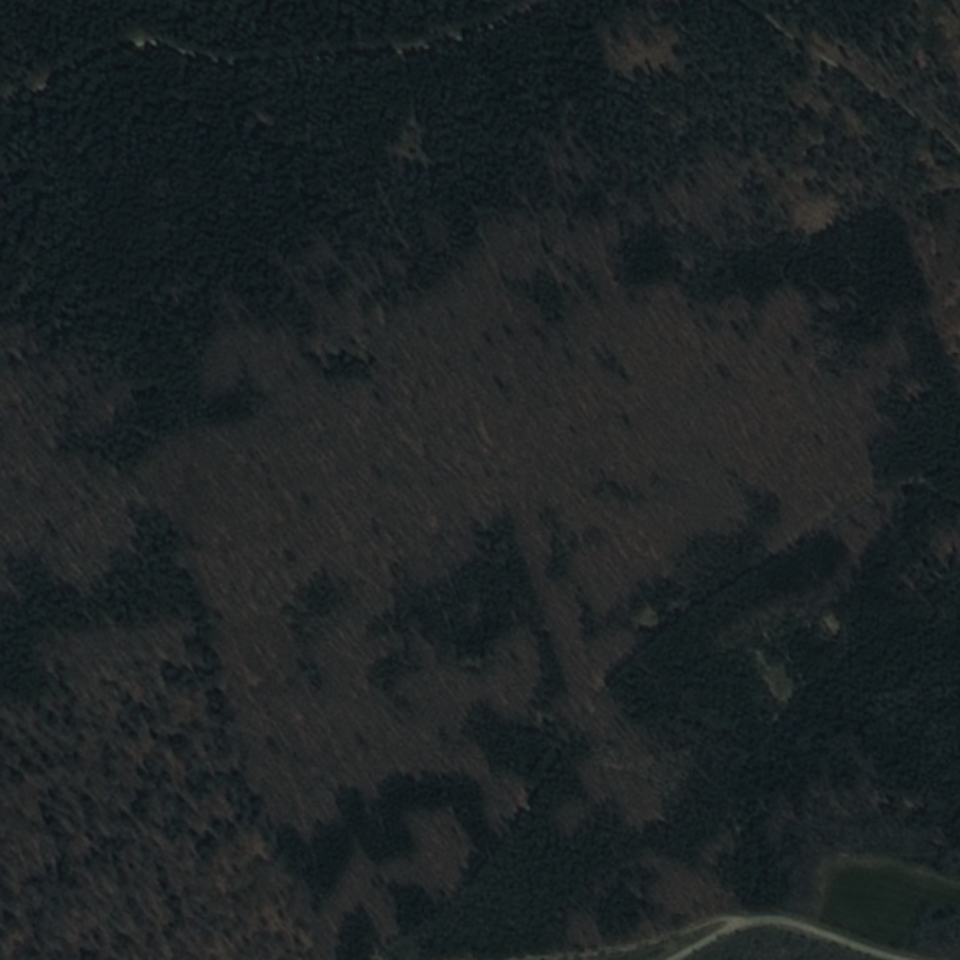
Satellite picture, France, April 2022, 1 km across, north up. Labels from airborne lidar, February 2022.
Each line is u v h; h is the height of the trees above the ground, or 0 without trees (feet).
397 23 80
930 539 62
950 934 87
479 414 71
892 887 0
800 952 49
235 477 74
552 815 76
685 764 64
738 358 66
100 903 96
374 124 64
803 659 47
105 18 75
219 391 62
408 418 78
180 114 68
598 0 85
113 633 79
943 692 68
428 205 83
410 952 61
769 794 72
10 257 93
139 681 93
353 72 86
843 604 42
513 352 65
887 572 59
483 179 87
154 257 94
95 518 76
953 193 31
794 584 49
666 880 72
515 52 58
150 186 86
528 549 69
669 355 69
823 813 85
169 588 101
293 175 78
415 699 71
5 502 78
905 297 68
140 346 109
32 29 82
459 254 73
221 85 70
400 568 58
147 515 78
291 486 74
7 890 75
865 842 86
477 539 76
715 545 65
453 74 57
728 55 85
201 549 88
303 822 76
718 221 74
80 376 77
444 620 74
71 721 76
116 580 36
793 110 77
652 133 81
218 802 83
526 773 109
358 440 78
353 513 76
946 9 98
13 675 107
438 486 79
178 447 74
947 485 92
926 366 69
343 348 69
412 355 66
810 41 88
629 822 65
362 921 63
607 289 72
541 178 88
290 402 68
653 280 68
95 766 20
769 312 70
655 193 69
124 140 82
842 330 78
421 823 74
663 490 58
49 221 90
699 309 54
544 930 67
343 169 68
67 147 95
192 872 91
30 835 78
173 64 73
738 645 59
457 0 64
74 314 75
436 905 67
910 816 74
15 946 80
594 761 57
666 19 87
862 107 91
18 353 80
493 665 76
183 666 64
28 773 52
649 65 0
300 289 66
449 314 69
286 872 89
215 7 50
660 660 81
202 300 70
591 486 70
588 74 92
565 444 70
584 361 67
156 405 81
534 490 59
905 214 57
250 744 83
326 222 61
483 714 66
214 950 83
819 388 76
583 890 83
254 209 86
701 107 77
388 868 62
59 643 89
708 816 74
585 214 75
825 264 68
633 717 64
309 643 71
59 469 79
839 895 0
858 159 63
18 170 100
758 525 60
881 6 85
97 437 84
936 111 74
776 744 43
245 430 77
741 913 50
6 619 105
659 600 59
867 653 62
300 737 72
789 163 80
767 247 73
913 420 82
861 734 44
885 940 0
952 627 40
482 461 76
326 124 77
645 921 76
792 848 64
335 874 77
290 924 83
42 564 83
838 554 58
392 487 76
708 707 32
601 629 53
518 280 61
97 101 82
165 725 101
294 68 67
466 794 75
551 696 57
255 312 73
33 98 92
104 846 90
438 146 77
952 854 56
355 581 68
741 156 83
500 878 75
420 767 72
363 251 68
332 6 110
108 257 87
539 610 75
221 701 65
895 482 83
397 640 58
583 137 69
